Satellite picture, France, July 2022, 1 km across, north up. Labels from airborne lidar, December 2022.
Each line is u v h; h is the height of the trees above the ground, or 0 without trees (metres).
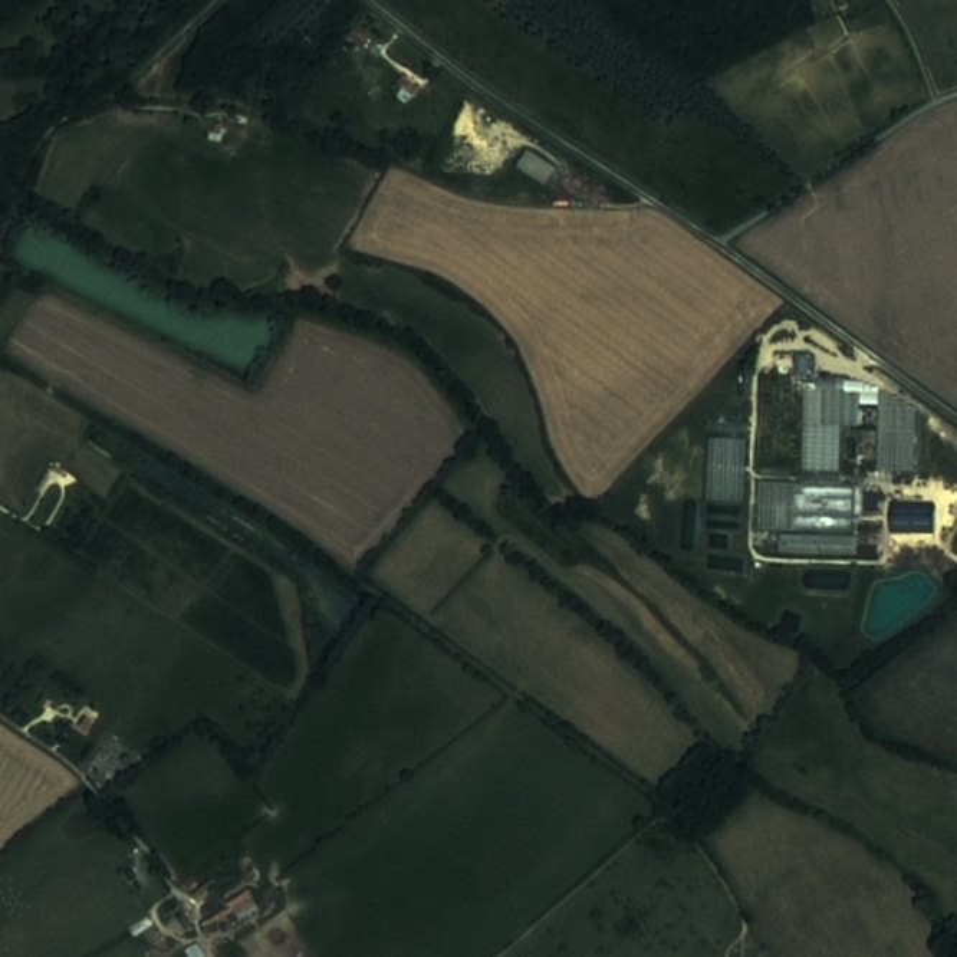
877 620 0
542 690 0
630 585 0
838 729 0
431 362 15
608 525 15
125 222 0
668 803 10
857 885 0
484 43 0
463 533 0
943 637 0
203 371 0
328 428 0
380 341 0
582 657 0
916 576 0
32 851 0
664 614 0
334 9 6
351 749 0
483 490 0
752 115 0
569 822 0
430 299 0
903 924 0
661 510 0
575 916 0
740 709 0
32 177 11
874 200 0
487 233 0
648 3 17
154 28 19
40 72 15
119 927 0
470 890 0
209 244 0
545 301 0
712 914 0
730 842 0
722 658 0
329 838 9
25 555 0
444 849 0
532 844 0
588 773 0
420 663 0
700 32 18
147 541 0
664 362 0
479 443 21
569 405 0
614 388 0
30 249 0
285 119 15
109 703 0
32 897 0
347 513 0
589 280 0
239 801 0
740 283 0
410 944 0
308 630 11
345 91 0
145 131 0
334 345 0
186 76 13
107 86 31
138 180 0
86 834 0
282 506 0
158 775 0
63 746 11
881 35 0
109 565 0
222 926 0
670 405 0
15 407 0
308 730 0
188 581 0
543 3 17
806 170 0
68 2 23
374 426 0
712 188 0
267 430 0
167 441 0
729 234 0
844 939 0
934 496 0
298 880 0
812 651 18
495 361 0
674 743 0
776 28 16
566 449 0
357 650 0
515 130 0
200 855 0
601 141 0
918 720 0
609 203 0
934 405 0
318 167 0
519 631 0
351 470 0
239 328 0
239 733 0
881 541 0
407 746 0
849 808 0
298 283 0
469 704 0
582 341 0
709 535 0
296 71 7
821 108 0
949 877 0
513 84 0
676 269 0
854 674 12
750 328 0
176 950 0
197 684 0
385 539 8
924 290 0
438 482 11
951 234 0
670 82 17
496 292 0
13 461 0
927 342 0
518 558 13
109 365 0
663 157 0
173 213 0
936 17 0
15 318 0
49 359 0
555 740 0
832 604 0
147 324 0
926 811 0
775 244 0
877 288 0
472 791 0
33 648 0
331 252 0
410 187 0
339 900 0
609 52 15
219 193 0
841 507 0
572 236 0
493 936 0
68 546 6
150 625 0
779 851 0
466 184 0
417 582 0
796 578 0
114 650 0
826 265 0
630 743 0
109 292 0
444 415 0
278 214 0
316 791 0
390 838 0
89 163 0
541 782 0
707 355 0
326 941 0
